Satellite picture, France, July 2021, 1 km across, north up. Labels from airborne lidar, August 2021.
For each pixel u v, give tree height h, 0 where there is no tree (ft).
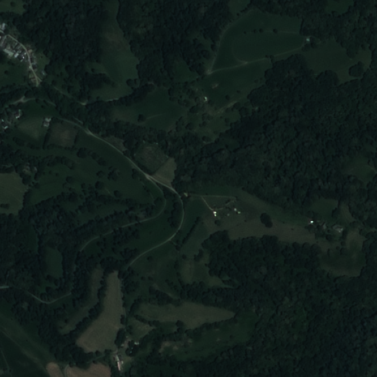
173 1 114
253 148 90
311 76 89
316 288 34
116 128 59
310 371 88
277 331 74
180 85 43
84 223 0
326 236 33
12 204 0
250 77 0
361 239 0
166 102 0
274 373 83
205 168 94
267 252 77
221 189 0
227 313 0
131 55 0
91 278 28
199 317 0
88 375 0
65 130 0
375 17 79
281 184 91
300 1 85
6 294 59
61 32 62
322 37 39
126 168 0
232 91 0
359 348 83
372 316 33
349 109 77
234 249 34
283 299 66
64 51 95
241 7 0
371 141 55
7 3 0
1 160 74
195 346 0
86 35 96
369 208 70
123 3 58
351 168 0
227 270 87
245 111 84
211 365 50
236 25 0
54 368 0
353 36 69
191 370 51
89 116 47
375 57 73
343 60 0
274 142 89
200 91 0
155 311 0
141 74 59
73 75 45
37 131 0
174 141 48
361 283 105
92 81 72
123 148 0
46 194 0
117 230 52
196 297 49
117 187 0
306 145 110
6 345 0
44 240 95
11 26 41
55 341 63
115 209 0
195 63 64
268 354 27
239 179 66
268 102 77
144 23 86
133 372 68
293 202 62
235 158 90
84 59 82
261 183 80
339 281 96
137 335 0
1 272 92
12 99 73
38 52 32
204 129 0
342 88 72
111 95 0
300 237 0
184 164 71
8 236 74
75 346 70
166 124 0
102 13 58
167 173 0
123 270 43
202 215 0
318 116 105
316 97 71
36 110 0
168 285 27
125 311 0
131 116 0
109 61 0
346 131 76
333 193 71
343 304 20
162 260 0
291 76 98
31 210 56
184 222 0
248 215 0
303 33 36
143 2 65
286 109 98
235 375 59
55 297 66
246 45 0
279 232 0
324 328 54
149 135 64
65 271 62
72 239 81
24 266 86
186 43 77
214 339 0
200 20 57
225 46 0
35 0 87
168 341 65
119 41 0
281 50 0
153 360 75
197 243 0
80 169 0
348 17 71
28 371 0
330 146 111
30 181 66
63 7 79
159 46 60
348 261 0
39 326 24
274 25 0
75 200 62
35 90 61
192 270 0
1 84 0
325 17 67
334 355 75
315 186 77
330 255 59
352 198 90
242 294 92
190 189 65
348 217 0
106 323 0
